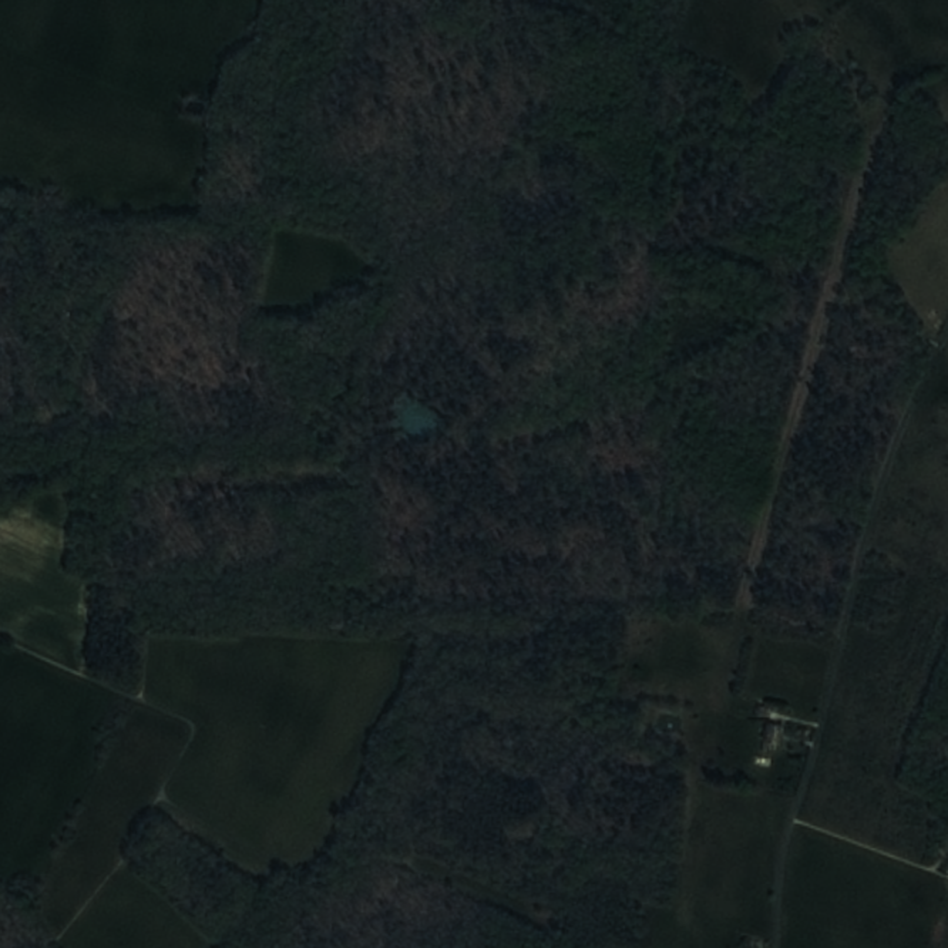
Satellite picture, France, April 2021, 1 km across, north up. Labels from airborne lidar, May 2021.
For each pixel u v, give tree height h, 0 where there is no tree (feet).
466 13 52
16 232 85
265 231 60
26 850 0
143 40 0
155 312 47
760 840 0
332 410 73
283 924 73
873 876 0
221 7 0
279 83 71
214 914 72
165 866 65
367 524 59
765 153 66
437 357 70
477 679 85
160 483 58
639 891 59
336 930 35
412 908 47
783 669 0
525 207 76
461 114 47
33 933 45
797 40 62
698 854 0
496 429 69
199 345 49
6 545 0
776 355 79
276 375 57
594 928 70
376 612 66
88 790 0
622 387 69
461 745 66
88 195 0
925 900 0
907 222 59
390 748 64
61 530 0
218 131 61
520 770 35
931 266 0
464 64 60
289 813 0
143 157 0
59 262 69
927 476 0
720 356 47
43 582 0
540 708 77
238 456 62
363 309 83
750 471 60
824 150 58
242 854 0
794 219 78
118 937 0
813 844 0
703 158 61
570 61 55
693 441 70
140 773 0
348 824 66
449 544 69
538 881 62
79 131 0
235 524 65
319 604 64
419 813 54
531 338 45
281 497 72
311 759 0
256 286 53
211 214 64
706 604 54
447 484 69
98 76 0
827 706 0
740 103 69
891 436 48
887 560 35
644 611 36
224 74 51
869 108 70
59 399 61
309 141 74
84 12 0
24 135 0
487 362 46
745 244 68
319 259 0
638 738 62
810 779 0
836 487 77
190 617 75
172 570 54
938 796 62
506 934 52
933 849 28
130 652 61
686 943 0
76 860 0
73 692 0
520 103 43
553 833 49
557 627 56
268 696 0
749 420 51
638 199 52
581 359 52
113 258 65
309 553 74
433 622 80
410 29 84
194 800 0
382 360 54
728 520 50
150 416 73
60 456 77
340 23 65
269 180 47
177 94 0
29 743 0
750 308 56
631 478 21
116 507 67
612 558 52
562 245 52
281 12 58
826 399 67
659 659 0
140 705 0
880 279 67
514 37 44
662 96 54
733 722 0
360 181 57
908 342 37
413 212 61
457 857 48
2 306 41
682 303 29
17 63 0
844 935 0
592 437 85
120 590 38
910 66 0
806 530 27
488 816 48
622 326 43
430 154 52
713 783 47
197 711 0
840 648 0
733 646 0
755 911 0
